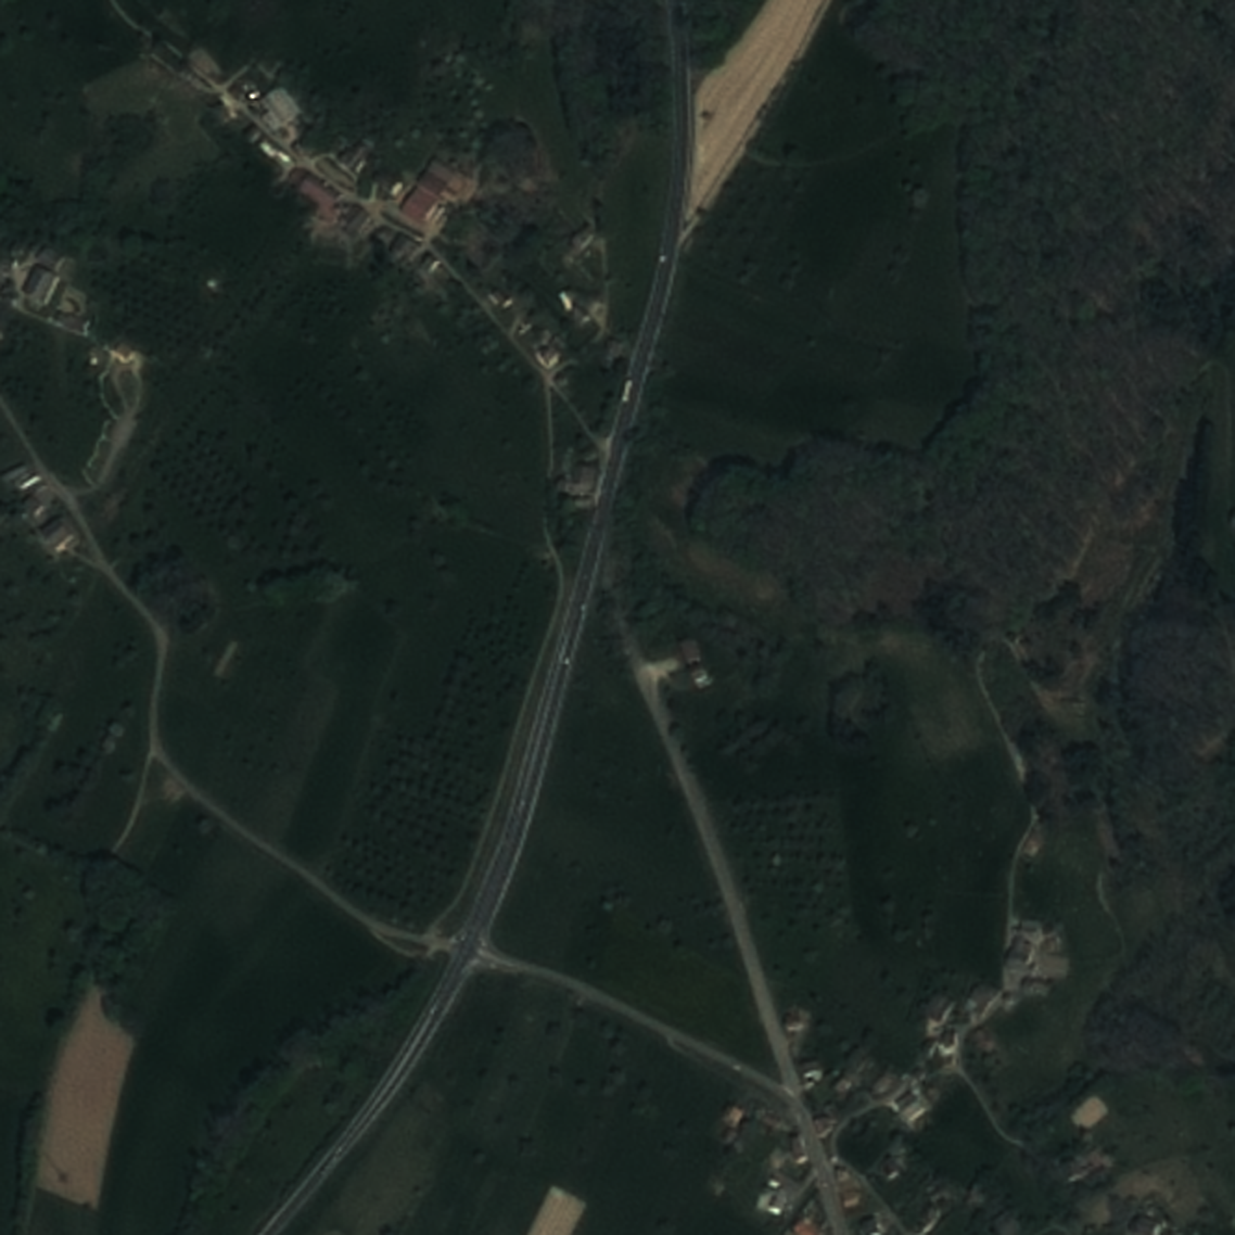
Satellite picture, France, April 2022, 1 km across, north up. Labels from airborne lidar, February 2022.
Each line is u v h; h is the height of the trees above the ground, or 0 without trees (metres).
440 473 0
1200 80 26
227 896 0
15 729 0
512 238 26
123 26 0
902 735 0
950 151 0
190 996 0
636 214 0
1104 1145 0
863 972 0
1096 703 0
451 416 0
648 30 29
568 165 0
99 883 24
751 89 0
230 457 0
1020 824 0
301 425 0
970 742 0
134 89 0
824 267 0
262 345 0
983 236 30
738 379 0
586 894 0
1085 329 31
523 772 0
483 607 0
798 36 0
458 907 0
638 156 0
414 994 19
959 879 0
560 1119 0
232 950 0
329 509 7
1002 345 28
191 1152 0
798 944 0
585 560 0
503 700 7
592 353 8
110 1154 0
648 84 27
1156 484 31
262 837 0
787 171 7
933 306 0
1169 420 29
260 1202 0
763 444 0
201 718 0
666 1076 0
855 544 32
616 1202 0
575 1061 0
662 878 0
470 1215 0
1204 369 0
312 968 0
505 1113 0
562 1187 0
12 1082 0
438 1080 0
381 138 11
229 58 0
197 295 0
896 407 0
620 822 0
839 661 0
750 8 25
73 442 0
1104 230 32
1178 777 31
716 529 30
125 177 0
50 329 0
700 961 0
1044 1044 0
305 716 0
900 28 31
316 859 0
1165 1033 33
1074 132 28
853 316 0
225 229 0
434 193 0
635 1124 0
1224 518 0
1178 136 27
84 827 0
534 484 0
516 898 0
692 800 0
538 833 0
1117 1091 7
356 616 0
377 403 0
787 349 0
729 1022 0
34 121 0
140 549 10
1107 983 0
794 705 0
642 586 9
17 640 0
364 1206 0
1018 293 27
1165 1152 0
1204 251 34
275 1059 0
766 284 0
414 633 0
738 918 0
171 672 0
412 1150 0
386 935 0
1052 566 28
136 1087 0
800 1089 0
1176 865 0
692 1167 0
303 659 0
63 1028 20
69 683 0
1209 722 26
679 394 0
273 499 0
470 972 0
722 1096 0
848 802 0
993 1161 0
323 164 0
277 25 0
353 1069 20
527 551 0
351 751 0
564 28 26
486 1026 0
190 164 0
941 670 0
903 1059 0
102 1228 0
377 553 0
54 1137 0
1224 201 31
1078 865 0
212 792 0
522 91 0
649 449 17
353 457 0
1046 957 0
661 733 0
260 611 0
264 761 0
